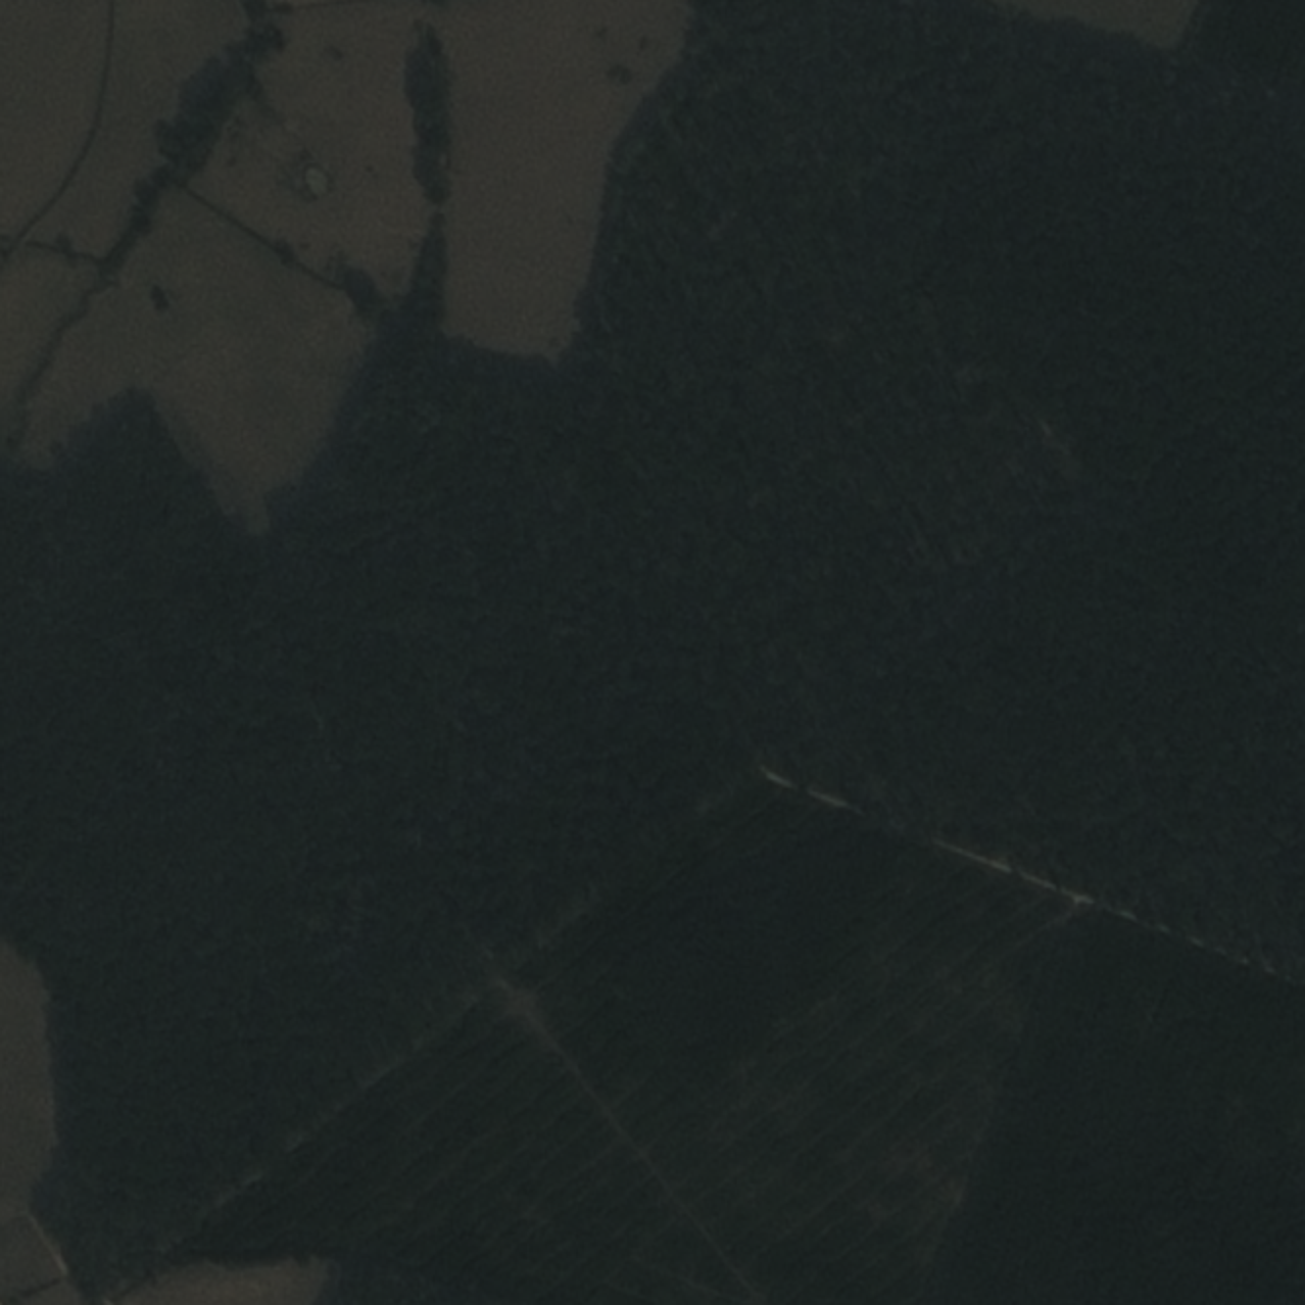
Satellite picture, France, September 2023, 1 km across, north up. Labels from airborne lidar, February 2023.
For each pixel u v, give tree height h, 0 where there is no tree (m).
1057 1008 11
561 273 0
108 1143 35
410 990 34
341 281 0
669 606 34
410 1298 23
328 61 0
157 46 0
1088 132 32
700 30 24
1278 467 35
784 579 32
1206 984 9
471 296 0
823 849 11
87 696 26
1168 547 36
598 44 0
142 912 34
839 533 33
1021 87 34
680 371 30
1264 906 31
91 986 33
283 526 25
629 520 32
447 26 0
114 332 0
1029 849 29
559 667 27
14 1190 0
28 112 0
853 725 31
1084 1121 13
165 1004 35
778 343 35
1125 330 34
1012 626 31
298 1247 6
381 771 31
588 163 0
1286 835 15
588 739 37
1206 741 29
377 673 32
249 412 0
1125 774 35
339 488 20
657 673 35
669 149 28
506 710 30
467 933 29
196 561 27
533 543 33
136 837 35
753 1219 0
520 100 0
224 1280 0
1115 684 34
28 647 19
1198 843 30
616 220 19
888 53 33
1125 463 27
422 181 18
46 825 27
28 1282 0
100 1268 22
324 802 31
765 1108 0
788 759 31
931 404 34
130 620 25
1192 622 36
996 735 32
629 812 35
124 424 23
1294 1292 12
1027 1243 9
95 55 0
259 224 0
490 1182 0
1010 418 0
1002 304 34
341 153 0
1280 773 31
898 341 36
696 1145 0
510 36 0
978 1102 0
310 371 0
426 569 29
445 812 33
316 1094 33
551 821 35
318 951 29
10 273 0
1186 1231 8
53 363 0
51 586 24
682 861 6
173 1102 36
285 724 33
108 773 24
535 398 26
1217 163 33
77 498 24
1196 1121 8
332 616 33
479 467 26
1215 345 36
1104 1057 11
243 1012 37
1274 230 30
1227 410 35
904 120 37
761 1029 10
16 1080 0
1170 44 0
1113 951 7
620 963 7
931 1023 0
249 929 31
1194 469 33
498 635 33
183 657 31
